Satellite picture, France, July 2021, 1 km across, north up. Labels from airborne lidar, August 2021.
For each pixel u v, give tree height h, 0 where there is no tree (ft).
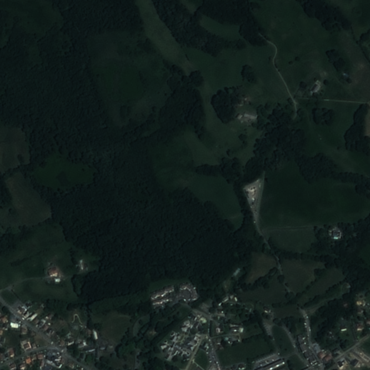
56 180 0
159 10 88
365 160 0
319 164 75
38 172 0
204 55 0
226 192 0
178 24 78
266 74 0
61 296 0
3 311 32
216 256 64
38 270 0
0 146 0
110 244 69
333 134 0
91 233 40
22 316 0
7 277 0
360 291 75
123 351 111
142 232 76
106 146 75
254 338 40
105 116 57
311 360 0
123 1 75
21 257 0
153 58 0
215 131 0
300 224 0
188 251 78
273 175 0
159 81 0
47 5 0
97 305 109
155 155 0
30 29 0
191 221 51
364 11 0
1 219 0
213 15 49
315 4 75
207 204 53
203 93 0
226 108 83
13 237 65
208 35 81
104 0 59
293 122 74
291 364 56
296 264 0
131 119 37
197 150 0
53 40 34
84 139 39
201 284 33
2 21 39
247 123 0
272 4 0
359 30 0
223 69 0
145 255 76
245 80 31
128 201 53
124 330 0
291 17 0
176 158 0
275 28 0
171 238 67
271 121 85
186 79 79
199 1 0
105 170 79
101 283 79
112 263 81
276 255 50
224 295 25
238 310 31
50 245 0
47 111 39
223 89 0
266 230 0
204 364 0
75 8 63
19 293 0
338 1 0
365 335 30
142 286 66
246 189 0
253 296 0
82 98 58
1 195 28
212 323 27
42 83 35
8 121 27
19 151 0
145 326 34
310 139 0
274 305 45
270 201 0
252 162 31
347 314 41
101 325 40
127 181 23
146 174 39
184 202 32
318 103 18
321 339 46
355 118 56
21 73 30
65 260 0
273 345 0
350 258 51
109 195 77
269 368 0
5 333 0
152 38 0
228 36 0
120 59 0
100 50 0
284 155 73
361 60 0
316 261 49
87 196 89
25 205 0
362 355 0
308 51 0
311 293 0
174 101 34
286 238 0
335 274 0
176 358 44
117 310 65
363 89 0
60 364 0
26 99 35
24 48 48
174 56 0
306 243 0
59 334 30
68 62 72
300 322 40
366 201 0
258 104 0
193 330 39
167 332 40
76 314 0
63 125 43
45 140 55
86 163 71
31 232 21
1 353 29
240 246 60
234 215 0
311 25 0
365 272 48
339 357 0
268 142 88
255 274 0
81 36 60
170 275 83
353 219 0
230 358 0
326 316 33
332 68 0
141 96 0
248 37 49
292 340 0
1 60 55
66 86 51
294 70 0
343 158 0
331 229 29
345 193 0
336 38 0
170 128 48
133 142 57
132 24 65
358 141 53
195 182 0
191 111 77
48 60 44
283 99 0
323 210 0
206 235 63
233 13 51
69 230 87
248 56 0
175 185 0
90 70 60
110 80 0
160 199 44
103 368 60
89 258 0
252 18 51
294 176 0
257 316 60
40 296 0
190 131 0
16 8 0
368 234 99
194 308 39
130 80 0
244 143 36
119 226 97
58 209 92
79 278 78
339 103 0
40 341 0
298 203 0
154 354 72
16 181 0
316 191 0
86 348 0
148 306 48
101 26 52
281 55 0
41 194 40
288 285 43
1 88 23
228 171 81
